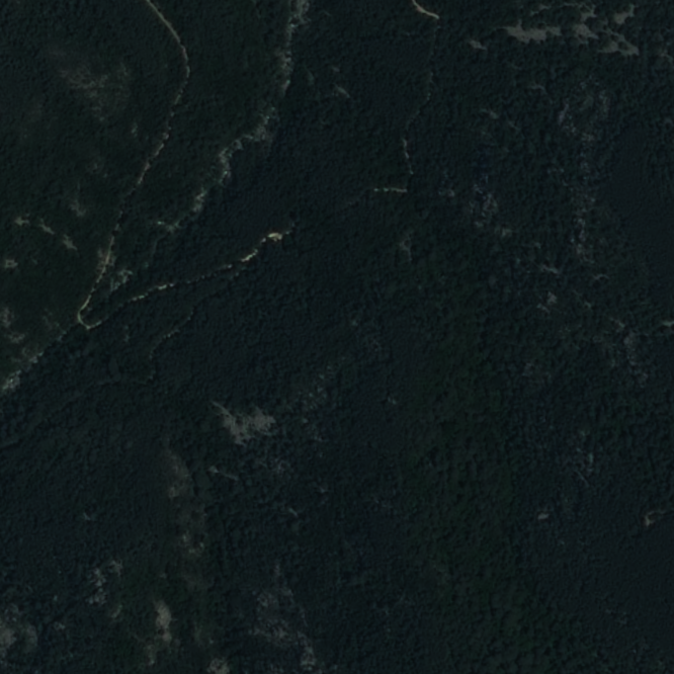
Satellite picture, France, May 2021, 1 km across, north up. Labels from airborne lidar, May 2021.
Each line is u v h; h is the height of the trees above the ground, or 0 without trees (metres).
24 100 16
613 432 22
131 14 20
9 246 14
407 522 15
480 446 18
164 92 14
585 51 15
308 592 13
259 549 6
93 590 10
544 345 22
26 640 10
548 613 15
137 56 20
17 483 20
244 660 16
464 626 29
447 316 22
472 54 11
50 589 7
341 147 17
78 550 17
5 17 14
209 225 17
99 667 14
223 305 15
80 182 8
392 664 18
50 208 13
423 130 17
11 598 15
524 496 10
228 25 19
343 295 12
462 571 23
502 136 11
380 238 16
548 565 19
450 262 15
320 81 12
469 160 9
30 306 13
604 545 17
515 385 16
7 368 11
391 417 17
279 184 17
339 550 10
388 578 21
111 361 33
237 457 15
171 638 8
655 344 14
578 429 11
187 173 21
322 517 11
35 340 7
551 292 6
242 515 14
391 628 12
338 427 24
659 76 13
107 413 18
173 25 6
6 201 13
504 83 16
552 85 19
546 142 14
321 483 21
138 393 20
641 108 7
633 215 16
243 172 17
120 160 13
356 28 14
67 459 22
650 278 8
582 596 19
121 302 16
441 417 30
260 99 8
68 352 13
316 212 16
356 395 19
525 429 20
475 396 17
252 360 7
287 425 15
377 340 11
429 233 10
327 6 13
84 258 15
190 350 18
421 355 21
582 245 8
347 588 7
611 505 14
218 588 15
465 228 14
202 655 12
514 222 18
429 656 16
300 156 21
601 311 15
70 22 12
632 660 22
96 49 7
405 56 21
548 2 7
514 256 8
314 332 19
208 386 18
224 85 13
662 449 12
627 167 16
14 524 21
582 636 16
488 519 23
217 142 28
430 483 22
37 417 25
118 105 6
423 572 8
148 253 17
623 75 10
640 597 17
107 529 19
